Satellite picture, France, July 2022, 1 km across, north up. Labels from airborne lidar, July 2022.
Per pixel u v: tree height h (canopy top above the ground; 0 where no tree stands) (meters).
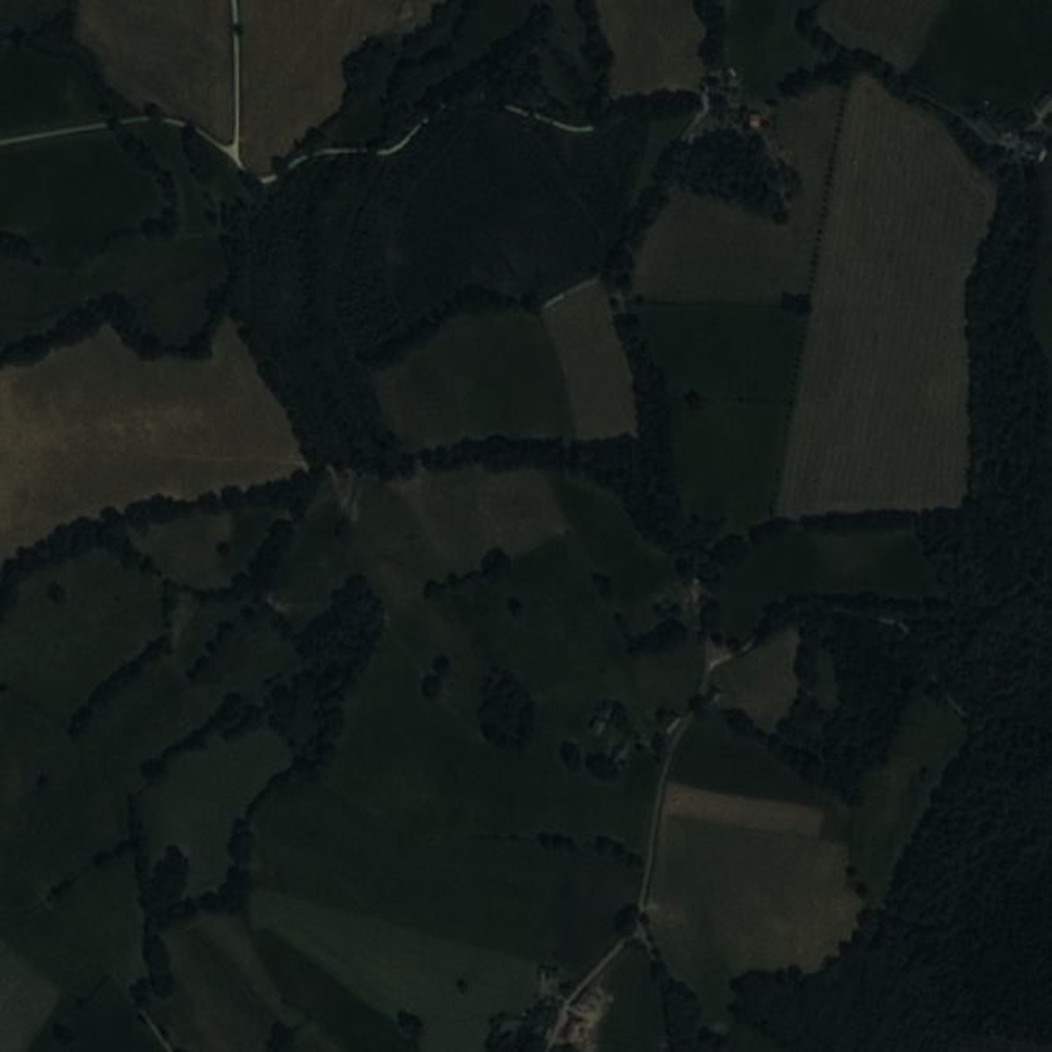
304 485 25
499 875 0
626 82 0
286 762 0
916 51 0
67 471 0
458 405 0
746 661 0
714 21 21
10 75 0
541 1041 8
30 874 0
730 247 0
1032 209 8
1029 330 9
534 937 0
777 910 0
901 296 0
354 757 0
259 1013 0
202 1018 0
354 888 0
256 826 0
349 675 28
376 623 18
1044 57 0
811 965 0
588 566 0
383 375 0
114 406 0
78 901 0
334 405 6
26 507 0
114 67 0
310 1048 0
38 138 0
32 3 0
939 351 0
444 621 0
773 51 0
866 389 0
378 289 7
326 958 0
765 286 0
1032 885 12
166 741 0
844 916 0
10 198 0
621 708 13
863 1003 7
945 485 0
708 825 0
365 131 0
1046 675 17
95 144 0
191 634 0
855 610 15
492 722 7
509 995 0
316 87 0
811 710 8
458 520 0
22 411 0
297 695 8
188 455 0
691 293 0
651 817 0
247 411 0
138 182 0
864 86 0
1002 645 14
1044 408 14
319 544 0
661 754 14
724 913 0
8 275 0
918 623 11
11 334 0
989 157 16
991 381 19
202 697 0
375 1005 0
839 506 0
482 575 6
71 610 0
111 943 0
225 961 0
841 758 24
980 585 15
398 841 0
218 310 17
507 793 0
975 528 19
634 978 0
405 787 0
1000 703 20
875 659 10
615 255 14
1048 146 15
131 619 0
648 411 23
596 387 0
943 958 18
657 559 0
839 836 0
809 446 0
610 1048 0
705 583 18
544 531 0
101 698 19
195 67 0
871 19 0
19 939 0
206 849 0
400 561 0
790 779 0
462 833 0
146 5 0
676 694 0
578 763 18
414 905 0
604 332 0
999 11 0
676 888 0
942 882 11
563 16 0
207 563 0
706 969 0
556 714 0
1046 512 22
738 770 0
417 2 0
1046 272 0
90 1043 0
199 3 0
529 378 0
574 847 10
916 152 0
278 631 12
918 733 0
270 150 0
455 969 0
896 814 0
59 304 0
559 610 0
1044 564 17
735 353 0
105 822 0
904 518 15
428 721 0
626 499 18
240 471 0
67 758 0
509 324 0
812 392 0
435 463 16
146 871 13
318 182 5
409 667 0
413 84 0
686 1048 19
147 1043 0
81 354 0
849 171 0
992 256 17
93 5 0
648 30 0
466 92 24
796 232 0
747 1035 0
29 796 0
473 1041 0
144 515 19
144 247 0
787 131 0
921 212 0
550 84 0
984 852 18
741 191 21
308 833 0
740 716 20
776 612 20
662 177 19
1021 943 14
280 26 0
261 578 22
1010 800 18
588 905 0
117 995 0
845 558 0
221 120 0
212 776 0
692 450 0
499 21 0
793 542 0
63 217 0
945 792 14
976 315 17
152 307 0
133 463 0
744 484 0
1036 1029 13
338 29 0
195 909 18
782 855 0
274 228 8
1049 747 15
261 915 0
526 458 21
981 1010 11
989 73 0
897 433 0
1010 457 18
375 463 6
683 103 21
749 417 0
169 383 0
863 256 0
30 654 0
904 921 24
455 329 0
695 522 15
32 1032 0
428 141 8
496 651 0
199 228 0
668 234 0
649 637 13
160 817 0
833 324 0
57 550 20
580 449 17
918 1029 6
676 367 0
